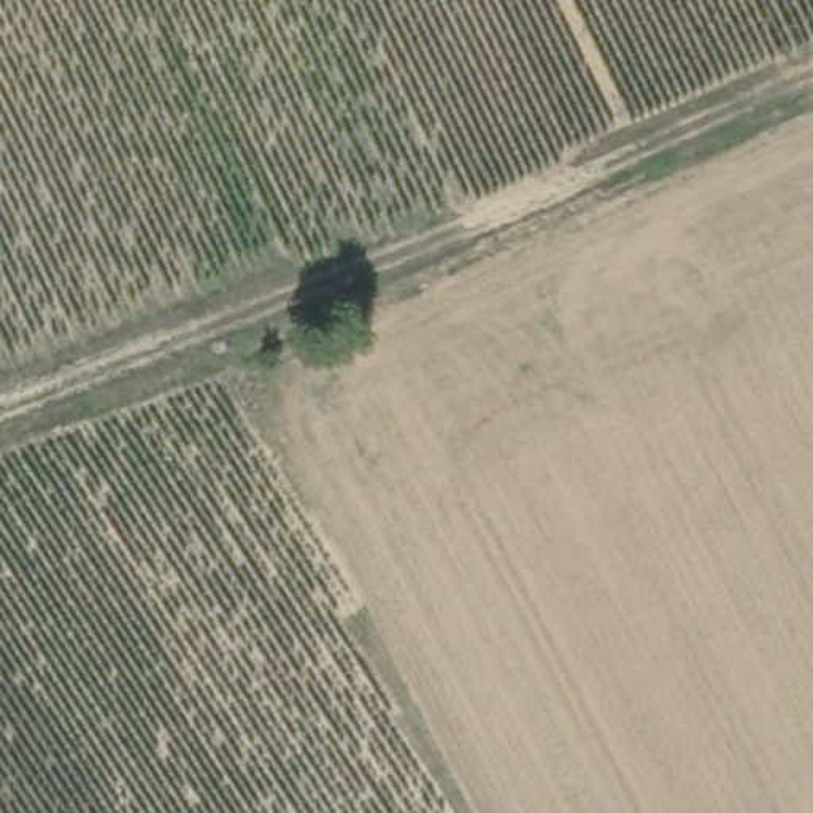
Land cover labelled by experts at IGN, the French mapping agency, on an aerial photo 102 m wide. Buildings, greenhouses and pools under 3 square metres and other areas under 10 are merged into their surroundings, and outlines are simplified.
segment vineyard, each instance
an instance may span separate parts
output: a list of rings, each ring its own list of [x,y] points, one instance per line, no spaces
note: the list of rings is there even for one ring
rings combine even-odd
[[[384,689],[372,676],[368,661],[356,648],[372,645],[378,635],[368,613],[362,613],[359,588],[349,588],[340,568],[330,565],[330,553],[324,549],[308,521],[314,499],[305,489],[305,473],[292,460],[286,464],[270,445],[251,445],[248,432],[235,416],[229,391],[222,384],[210,384],[206,375],[194,384],[165,387],[162,394],[118,407],[118,419],[92,416],[0,445],[0,813],[445,813],[451,800],[432,775],[429,762],[422,759],[422,749],[410,753],[410,746],[397,737],[397,727],[391,724],[400,715],[400,705],[387,702]]]
[[[225,302],[257,295],[260,289],[289,283],[295,289],[308,264],[333,257],[343,241],[359,241],[368,257],[375,248],[400,241],[410,232],[457,219],[473,197],[486,197],[511,181],[521,181],[559,162],[559,152],[568,143],[588,137],[594,127],[603,127],[607,121],[616,130],[622,130],[629,127],[632,111],[661,105],[686,89],[702,86],[711,76],[721,76],[724,70],[743,67],[765,54],[778,54],[791,44],[807,44],[813,51],[813,0],[0,0],[0,391],[13,391],[16,384],[57,375],[60,368],[79,359],[124,346],[152,330],[178,327]]]

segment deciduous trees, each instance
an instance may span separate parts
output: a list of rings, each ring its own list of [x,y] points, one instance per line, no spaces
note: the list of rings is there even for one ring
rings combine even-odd
[[[283,343],[295,353],[311,368],[346,365],[356,353],[365,353],[372,346],[372,321],[365,321],[356,311],[356,305],[333,299],[314,308],[311,327],[295,324],[283,337]]]

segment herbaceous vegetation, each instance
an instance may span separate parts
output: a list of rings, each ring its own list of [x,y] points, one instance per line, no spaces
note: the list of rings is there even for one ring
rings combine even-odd
[[[588,137],[568,143],[559,152],[559,162],[562,168],[588,171],[591,184],[584,184],[581,191],[556,203],[527,210],[492,229],[467,229],[457,219],[410,232],[400,241],[375,248],[368,257],[359,241],[343,241],[333,257],[308,264],[295,289],[292,305],[273,314],[267,324],[251,324],[219,337],[206,337],[203,343],[171,353],[152,365],[124,372],[118,378],[108,378],[105,384],[95,384],[60,400],[48,400],[35,413],[0,422],[0,445],[92,416],[118,419],[118,407],[162,394],[165,387],[194,384],[206,375],[210,384],[222,384],[229,391],[235,416],[248,432],[251,445],[270,445],[286,464],[292,460],[283,391],[292,384],[292,378],[279,362],[292,359],[295,353],[283,343],[283,337],[295,324],[311,327],[314,308],[333,299],[356,305],[356,311],[365,321],[372,321],[375,299],[381,305],[400,305],[416,299],[426,286],[438,283],[441,276],[457,276],[502,254],[514,241],[553,241],[556,232],[578,235],[581,222],[575,216],[613,200],[629,187],[661,181],[676,168],[695,168],[765,130],[788,124],[797,114],[813,118],[813,51],[807,44],[791,44],[778,54],[765,54],[743,67],[724,70],[721,76],[711,76],[702,86],[686,89],[661,105],[632,111],[629,127],[622,130],[616,130],[607,121],[603,127],[594,127]]]
[[[400,705],[400,715],[391,724],[397,727],[397,737],[410,746],[410,753],[422,749],[422,759],[429,762],[432,775],[451,800],[445,813],[470,813],[464,794],[457,791],[441,753],[435,749],[419,718],[416,702],[407,692],[407,683],[400,680],[387,654],[387,645],[378,635],[372,645],[356,648],[368,661],[372,676],[384,689],[387,702]]]

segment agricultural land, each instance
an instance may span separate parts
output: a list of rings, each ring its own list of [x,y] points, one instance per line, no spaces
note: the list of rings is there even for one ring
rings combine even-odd
[[[765,130],[695,168],[676,168],[661,181],[629,187],[613,200],[575,216],[581,222],[578,235],[556,232],[553,241],[514,241],[502,254],[457,276],[441,276],[438,283],[426,286],[416,299],[400,305],[381,305],[375,299],[372,321],[372,346],[365,353],[356,353],[346,365],[311,368],[295,353],[292,359],[279,362],[292,378],[292,384],[283,391],[292,460],[305,473],[305,489],[314,499],[308,521],[324,549],[330,553],[330,565],[340,568],[349,588],[359,588],[362,613],[368,613],[378,635],[387,645],[387,654],[400,680],[407,683],[407,692],[416,702],[419,718],[435,749],[441,753],[457,791],[464,794],[470,813],[813,813],[813,118],[797,114],[788,124]]]

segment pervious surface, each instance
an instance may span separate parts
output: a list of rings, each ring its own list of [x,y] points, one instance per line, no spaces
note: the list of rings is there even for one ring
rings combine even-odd
[[[57,375],[16,384],[13,391],[0,391],[0,422],[35,413],[48,400],[60,400],[95,384],[105,384],[108,378],[118,378],[124,372],[152,365],[171,353],[203,343],[206,337],[219,337],[251,324],[267,324],[273,314],[292,305],[295,289],[289,283],[260,289],[257,295],[225,302],[178,327],[152,330],[124,346],[79,359],[60,368]]]
[[[486,197],[473,197],[457,219],[467,229],[492,229],[527,210],[556,203],[581,191],[584,184],[591,184],[588,171],[562,168],[559,162],[521,181],[511,181]]]

